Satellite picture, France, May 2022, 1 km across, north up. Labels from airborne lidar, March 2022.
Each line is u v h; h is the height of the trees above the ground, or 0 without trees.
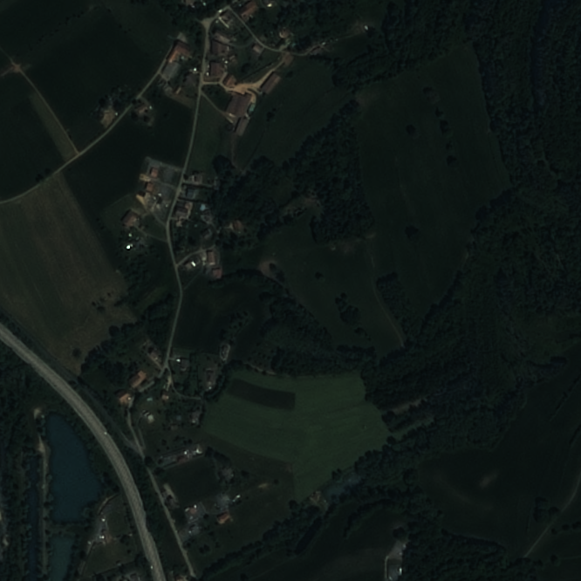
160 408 0
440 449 17
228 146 0
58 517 0
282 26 8
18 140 0
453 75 0
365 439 0
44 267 0
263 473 0
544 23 32
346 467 0
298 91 0
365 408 0
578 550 0
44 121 0
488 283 12
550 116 20
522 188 18
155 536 16
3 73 0
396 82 0
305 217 0
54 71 0
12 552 7
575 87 18
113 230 0
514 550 0
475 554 10
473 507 0
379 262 0
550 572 0
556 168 14
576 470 0
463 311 24
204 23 0
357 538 0
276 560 0
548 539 0
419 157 0
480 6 26
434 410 27
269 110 0
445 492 0
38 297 0
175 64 0
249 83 0
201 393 6
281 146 0
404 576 11
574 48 15
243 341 0
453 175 0
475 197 0
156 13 0
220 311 0
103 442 0
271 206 23
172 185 0
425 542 16
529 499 0
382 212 0
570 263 22
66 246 0
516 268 12
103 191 0
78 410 0
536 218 33
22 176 0
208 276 0
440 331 23
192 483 0
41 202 0
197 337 0
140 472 17
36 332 0
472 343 21
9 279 0
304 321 25
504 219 20
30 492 0
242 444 0
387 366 17
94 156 0
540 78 30
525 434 0
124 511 0
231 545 0
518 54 5
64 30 0
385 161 0
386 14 0
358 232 15
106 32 0
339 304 12
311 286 0
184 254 0
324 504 0
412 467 20
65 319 0
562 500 0
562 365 19
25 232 0
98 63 0
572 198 27
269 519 0
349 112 19
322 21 26
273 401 0
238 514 0
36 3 0
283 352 19
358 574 0
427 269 0
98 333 0
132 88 0
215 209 10
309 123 0
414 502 20
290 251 0
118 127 0
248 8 0
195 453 0
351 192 25
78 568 0
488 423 27
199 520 0
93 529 8
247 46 0
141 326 13
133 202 0
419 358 23
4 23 0
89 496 0
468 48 0
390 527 0
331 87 0
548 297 25
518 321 0
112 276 0
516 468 0
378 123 0
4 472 0
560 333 0
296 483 0
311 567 0
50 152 0
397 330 0
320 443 0
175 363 0
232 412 0
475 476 0
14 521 17
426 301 0
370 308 0
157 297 0
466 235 0
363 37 0
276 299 13
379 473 23
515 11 10
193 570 0
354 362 18
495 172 0
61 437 0
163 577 0
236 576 0
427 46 12
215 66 0
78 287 0
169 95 0
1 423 18
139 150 0
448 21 22
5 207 0
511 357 0
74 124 0
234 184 7
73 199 0
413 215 0
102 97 0
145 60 0
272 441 0
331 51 0
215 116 0
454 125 0
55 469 0
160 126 0
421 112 0
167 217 0
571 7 31
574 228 8
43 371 0
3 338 0
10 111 0
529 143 27
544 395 0
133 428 0
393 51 28
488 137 0
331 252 0
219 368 0
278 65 0
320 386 0
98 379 0
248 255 0
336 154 23
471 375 20
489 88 30
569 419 0
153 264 0
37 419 0
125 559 0
